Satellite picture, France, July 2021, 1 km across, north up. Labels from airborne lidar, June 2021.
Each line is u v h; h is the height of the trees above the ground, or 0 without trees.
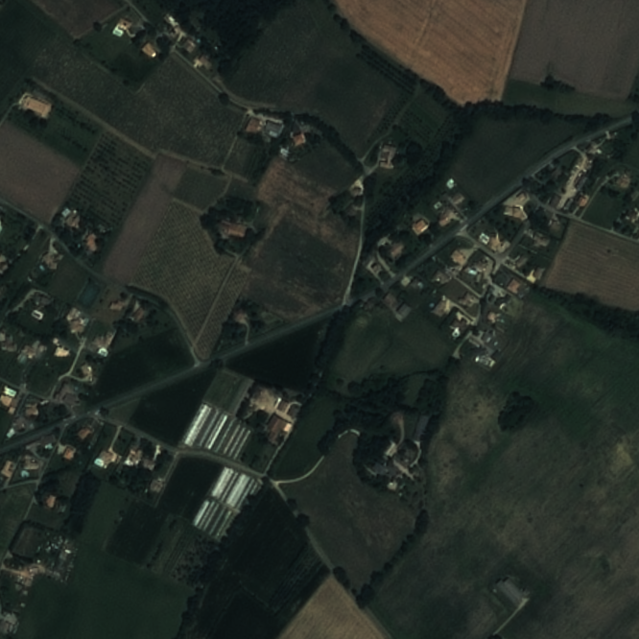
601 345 0
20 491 0
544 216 11
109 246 0
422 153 16
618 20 0
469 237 0
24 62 0
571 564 0
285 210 0
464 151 0
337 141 19
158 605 0
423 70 0
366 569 0
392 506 0
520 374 0
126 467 11
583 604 0
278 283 0
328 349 20
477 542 0
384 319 0
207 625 0
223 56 10
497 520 0
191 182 0
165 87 0
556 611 0
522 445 0
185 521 0
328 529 0
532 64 0
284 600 6
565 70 0
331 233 0
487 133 0
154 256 0
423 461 9
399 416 0
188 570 7
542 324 0
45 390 0
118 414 0
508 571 0
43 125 14
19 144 0
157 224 0
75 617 0
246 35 18
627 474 0
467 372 0
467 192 0
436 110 0
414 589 0
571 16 0
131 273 0
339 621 0
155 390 0
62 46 0
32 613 0
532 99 0
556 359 0
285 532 0
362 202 11
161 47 12
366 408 13
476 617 0
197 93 0
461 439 0
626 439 0
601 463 0
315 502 0
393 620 0
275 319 0
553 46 0
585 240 0
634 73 0
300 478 0
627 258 0
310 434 0
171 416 0
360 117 0
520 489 0
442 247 0
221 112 0
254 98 0
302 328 0
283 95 0
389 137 0
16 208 0
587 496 0
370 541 0
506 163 0
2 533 0
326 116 0
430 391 9
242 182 0
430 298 0
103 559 0
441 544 0
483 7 0
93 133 7
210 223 15
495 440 0
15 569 0
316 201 0
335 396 13
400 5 0
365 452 16
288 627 0
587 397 0
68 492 0
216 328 0
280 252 0
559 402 0
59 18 0
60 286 0
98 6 0
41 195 0
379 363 0
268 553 0
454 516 0
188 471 0
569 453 0
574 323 0
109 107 0
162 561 0
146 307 15
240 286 0
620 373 0
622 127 0
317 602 0
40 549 0
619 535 0
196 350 0
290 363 0
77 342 0
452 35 0
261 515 0
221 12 19
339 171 0
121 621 0
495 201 0
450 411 0
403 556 12
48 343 5
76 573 0
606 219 0
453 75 0
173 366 0
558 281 0
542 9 0
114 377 0
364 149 0
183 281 0
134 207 0
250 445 0
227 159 0
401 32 0
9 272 9
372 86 0
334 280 0
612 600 0
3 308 9
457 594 0
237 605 0
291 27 0
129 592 0
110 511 0
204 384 0
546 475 0
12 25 0
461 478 0
